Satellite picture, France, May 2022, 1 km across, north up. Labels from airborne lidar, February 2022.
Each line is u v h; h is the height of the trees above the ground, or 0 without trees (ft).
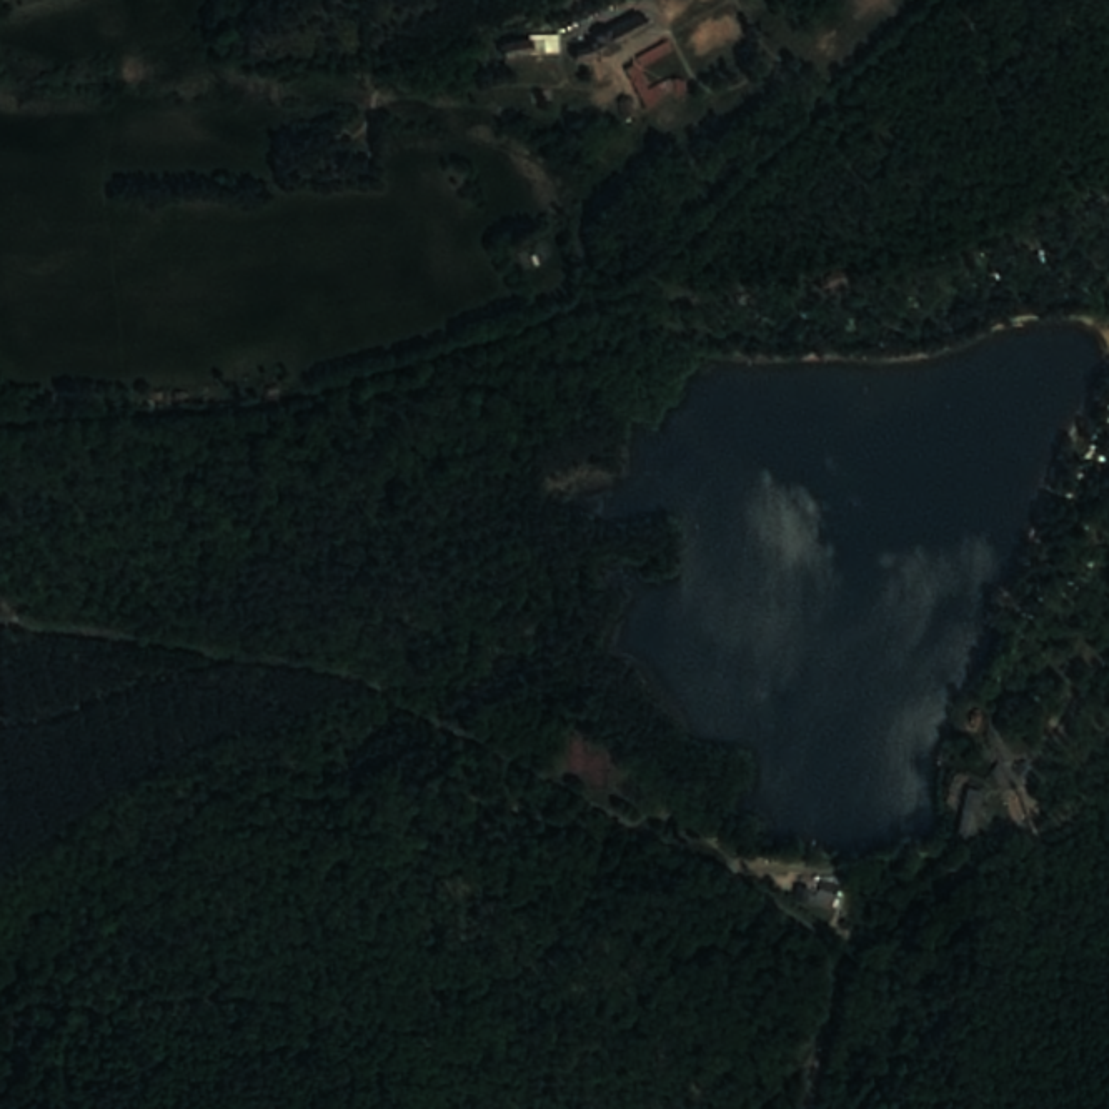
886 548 0
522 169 0
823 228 89
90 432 110
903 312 89
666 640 0
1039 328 0
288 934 90
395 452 107
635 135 0
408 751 70
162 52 0
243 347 0
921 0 42
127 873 99
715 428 0
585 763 0
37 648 47
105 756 62
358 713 93
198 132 0
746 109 27
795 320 69
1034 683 96
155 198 59
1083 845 89
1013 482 0
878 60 54
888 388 0
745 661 0
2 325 0
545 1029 99
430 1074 97
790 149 82
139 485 88
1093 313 52
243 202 65
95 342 0
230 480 113
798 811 0
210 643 103
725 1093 118
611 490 0
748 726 0
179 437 114
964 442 0
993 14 87
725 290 82
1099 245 100
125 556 82
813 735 0
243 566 90
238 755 96
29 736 57
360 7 33
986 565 0
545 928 100
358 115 29
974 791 0
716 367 0
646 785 89
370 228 0
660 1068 104
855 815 0
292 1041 66
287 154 88
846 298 84
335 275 0
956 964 101
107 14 0
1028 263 95
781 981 104
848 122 74
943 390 0
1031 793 47
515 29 22
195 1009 99
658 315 60
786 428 0
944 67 89
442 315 0
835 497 0
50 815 57
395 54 45
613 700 72
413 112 0
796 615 0
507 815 88
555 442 86
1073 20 84
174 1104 91
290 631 96
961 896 79
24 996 111
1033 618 93
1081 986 99
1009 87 82
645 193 85
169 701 56
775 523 0
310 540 101
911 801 0
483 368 59
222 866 95
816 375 0
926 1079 98
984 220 83
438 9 33
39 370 0
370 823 103
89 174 0
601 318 77
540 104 79
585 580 72
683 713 0
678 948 98
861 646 0
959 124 57
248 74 77
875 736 0
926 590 0
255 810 99
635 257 85
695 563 0
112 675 55
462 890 88
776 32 0
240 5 33
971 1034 105
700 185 68
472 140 0
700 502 0
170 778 56
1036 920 101
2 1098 115
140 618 94
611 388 87
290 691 62
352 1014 104
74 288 0
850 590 0
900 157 82
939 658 0
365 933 101
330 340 0
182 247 0
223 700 62
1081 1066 0
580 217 0
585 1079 87
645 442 0
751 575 0
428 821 90
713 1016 105
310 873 92
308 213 0
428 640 21
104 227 0
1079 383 0
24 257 0
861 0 0
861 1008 93
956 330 63
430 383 67
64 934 96
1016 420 0
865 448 0
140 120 0
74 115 0
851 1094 100
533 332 91
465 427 100
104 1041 91
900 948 59
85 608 84
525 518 72
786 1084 63
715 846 0
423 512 106
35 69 0
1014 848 91
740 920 103
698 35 0
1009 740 57
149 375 0
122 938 110
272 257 0
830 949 71
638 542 81
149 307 0
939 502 0
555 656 90
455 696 126
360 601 93
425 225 0
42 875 100
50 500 105
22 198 0
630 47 0
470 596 99
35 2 0
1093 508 82
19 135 0
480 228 0
